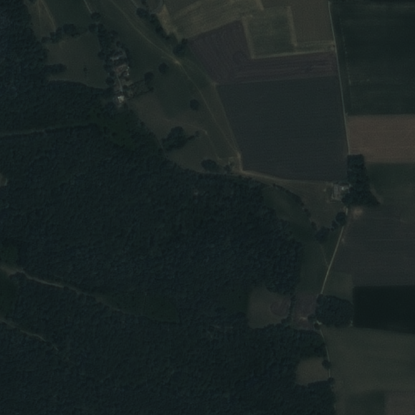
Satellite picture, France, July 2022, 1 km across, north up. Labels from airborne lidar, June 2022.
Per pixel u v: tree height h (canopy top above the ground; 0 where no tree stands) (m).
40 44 9
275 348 27
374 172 0
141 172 6
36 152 22
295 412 9
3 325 12
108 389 17
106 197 20
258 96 0
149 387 23
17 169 19
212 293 17
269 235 19
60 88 25
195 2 0
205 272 17
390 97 0
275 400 16
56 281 11
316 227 10
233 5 0
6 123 16
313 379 0
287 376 19
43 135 20
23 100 23
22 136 17
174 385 9
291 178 0
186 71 0
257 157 0
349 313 20
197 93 0
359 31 0
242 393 24
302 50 0
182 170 14
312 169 0
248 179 17
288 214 0
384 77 0
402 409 0
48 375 24
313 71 0
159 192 21
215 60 0
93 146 24
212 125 0
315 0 0
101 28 18
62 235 24
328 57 0
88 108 24
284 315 0
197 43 0
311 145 0
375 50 0
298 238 0
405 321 0
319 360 0
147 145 9
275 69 0
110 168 19
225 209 30
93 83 0
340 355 0
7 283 0
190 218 12
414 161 0
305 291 0
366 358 0
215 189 24
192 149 0
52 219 30
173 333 19
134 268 28
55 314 18
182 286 25
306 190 0
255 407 21
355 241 0
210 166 23
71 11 0
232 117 0
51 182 26
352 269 0
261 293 0
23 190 27
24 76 26
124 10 0
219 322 13
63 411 23
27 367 24
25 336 17
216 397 17
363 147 0
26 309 23
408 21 0
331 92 0
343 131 0
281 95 0
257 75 0
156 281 28
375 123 0
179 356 20
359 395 0
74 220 26
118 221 21
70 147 28
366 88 0
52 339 9
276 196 0
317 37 0
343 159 0
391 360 0
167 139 11
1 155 22
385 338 0
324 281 0
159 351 22
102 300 0
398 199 0
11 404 22
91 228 29
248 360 17
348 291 0
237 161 0
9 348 22
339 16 0
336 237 0
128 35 0
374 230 0
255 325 0
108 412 19
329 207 0
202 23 0
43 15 0
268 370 19
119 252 27
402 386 0
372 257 0
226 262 24
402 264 0
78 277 22
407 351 0
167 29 0
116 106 19
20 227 27
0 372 20
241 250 24
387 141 0
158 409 17
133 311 0
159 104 0
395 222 0
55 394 16
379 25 0
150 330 19
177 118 0
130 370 16
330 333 0
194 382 20
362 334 0
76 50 0
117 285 22
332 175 0
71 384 25
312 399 19
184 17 0
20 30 22
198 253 27
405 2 0
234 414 17
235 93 0
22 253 13
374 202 20
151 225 26
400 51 0
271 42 0
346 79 0
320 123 0
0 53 18
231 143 0
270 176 0
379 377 0
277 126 0
